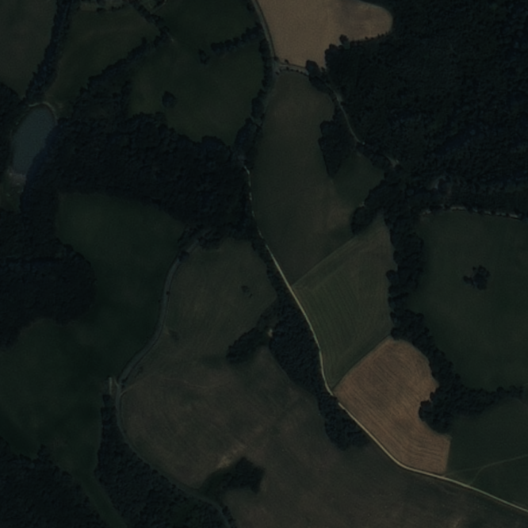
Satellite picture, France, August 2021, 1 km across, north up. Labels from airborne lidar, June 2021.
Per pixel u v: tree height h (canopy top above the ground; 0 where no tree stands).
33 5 0
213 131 0
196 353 0
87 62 0
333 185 0
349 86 18
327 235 0
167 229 0
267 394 0
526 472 0
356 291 0
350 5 0
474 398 7
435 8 9
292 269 0
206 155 26
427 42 18
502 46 7
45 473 15
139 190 23
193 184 30
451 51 19
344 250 0
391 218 15
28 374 0
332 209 0
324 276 0
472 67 6
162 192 26
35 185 29
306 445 0
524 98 26
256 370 0
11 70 0
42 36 0
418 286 17
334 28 0
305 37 0
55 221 17
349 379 0
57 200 26
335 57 25
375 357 0
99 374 0
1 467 18
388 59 20
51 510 16
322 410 14
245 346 6
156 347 0
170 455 0
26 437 0
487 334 0
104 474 16
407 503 0
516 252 0
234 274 0
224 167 35
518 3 10
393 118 7
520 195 0
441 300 0
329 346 0
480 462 0
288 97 0
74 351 0
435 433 0
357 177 0
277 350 14
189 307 0
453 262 0
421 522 0
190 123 0
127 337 0
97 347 0
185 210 27
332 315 0
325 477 0
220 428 0
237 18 0
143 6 7
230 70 0
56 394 0
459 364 0
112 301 0
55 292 31
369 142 9
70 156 29
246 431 0
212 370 0
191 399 0
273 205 0
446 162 18
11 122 24
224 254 0
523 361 0
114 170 26
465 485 0
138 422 0
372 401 0
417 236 19
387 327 0
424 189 6
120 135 22
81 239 0
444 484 0
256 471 7
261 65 0
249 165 25
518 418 0
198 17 0
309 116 0
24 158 0
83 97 12
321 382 13
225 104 0
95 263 0
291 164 0
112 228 0
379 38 6
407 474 0
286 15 0
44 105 0
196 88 0
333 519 0
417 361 0
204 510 6
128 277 0
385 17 0
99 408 0
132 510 17
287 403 0
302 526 0
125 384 7
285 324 12
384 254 0
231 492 0
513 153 7
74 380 0
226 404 0
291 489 0
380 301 0
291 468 0
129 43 0
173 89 0
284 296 6
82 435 0
